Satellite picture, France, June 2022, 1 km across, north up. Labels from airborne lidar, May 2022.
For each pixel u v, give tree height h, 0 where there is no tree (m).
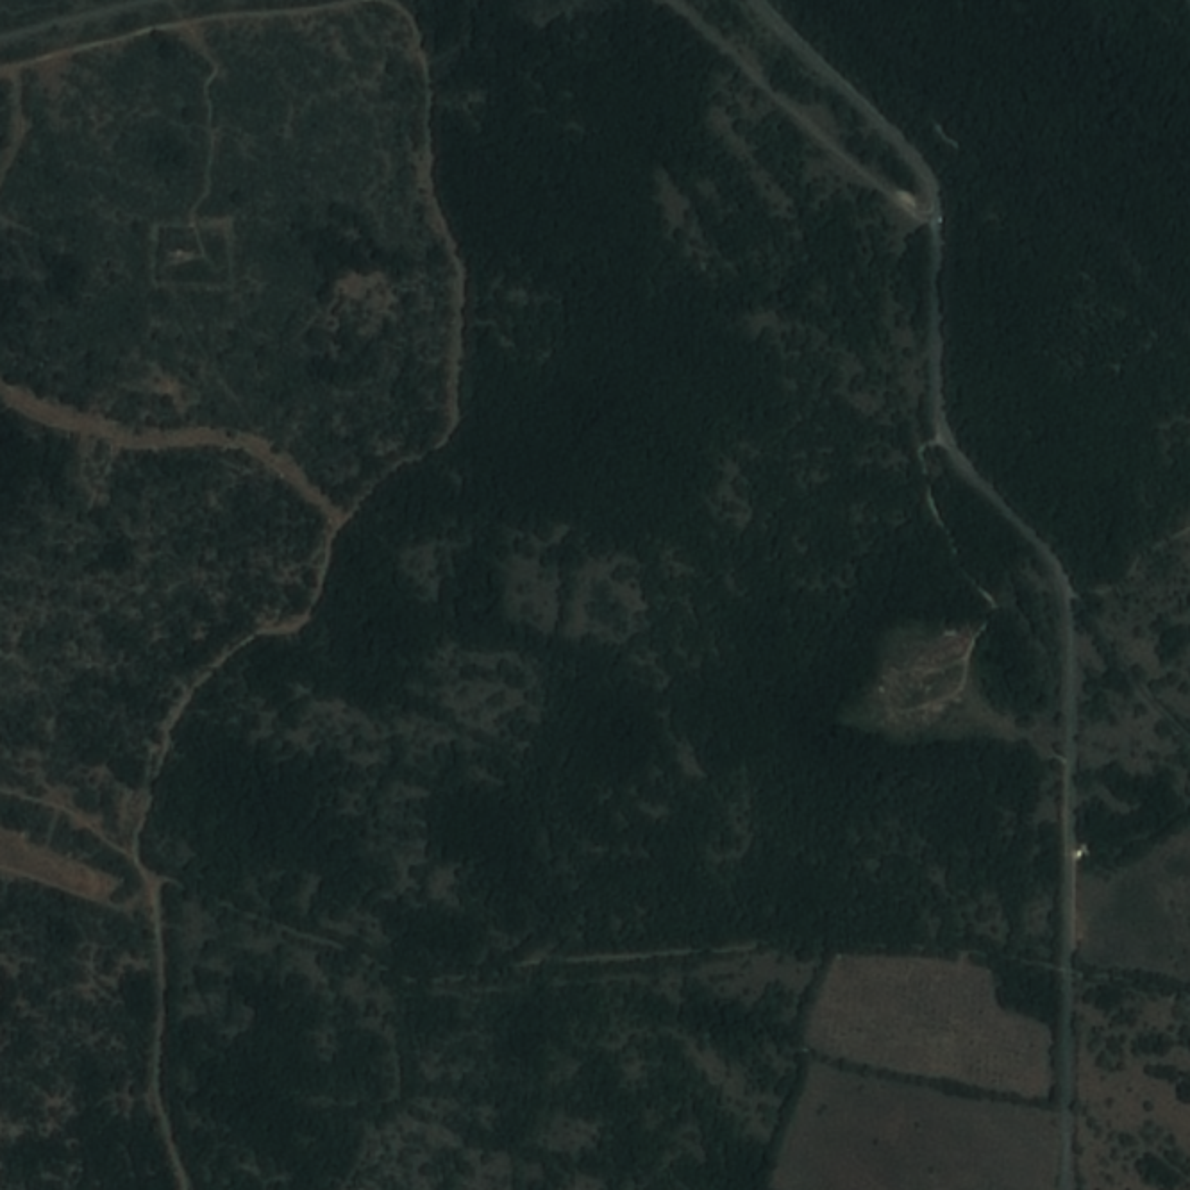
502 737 7
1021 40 15
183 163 9
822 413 7
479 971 8
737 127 10
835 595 11
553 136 9
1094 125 16
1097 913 0
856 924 10
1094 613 10
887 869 8
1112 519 8
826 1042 0
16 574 0
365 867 9
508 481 12
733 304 9
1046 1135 0
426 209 6
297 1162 10
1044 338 14
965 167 8
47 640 8
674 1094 8
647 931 7
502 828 10
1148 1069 7
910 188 8
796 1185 0
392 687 9
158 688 7
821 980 6
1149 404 8
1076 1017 7
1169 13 8
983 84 12
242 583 8
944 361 7
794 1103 10
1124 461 10
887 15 13
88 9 0
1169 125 18
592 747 13
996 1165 0
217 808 12
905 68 10
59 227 7
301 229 6
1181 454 8
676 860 9
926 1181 0
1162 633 6
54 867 0
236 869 6
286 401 6
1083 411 11
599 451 13
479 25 11
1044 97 15
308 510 8
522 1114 7
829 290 6
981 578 8
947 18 13
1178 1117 0
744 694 8
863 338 10
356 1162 7
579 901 8
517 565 0
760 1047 7
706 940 8
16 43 0
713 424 11
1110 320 9
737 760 10
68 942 8
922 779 9
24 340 5
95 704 6
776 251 6
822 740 14
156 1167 8
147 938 10
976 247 11
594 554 7
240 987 11
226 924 8
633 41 7
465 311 8
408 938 9
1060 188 8
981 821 11
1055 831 9
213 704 8
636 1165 9
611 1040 6
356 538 6
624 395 12
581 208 13
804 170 7
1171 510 6
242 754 10
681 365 11
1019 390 11
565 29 10
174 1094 8
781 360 7
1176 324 8
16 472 10
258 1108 10
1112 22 15
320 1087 7
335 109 0
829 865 10
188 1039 10
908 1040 0
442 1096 8
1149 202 17
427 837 9
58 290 10
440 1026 7
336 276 8
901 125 9
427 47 8
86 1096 8
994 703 9
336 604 13
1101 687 6
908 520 8
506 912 7
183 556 7
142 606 6
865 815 10
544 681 7
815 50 7
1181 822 10
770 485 6
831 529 8
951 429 6
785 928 11
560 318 7
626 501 10
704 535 8
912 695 0
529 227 12
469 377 10
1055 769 9
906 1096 0
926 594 15
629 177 10
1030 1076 0
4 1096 6
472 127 9
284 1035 9
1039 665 6
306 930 7
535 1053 9
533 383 7
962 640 0
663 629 8
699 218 8
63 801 0
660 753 8
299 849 8
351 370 8
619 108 12
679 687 10
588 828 9
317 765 8
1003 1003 11
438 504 12
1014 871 8
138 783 9
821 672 11
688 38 11
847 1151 0
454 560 7
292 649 8
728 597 8
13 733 6
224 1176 6
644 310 9
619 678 9
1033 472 12
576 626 0
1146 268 11
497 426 10
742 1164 9
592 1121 8
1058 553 9
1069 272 11
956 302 14
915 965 0
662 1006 10
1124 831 8
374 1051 6
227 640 6
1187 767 8
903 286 9
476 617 10
